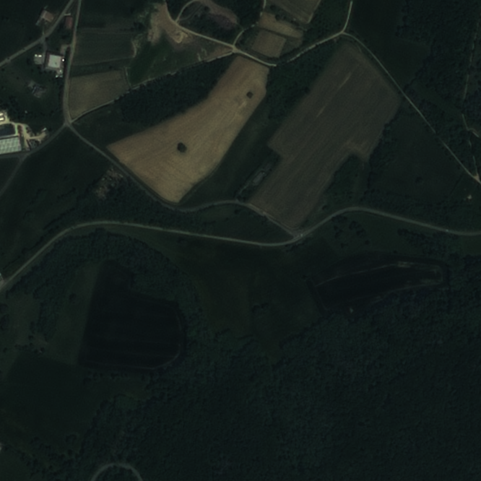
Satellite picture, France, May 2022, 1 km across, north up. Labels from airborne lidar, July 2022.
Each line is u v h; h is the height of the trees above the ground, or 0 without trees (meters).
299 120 0
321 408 18
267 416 26
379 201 11
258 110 0
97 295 0
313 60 18
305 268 0
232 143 0
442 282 0
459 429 20
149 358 0
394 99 0
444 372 15
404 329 21
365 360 21
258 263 0
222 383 25
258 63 0
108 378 0
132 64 0
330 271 0
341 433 21
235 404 20
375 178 12
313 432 20
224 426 19
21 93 0
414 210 16
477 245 0
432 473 18
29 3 0
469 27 12
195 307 22
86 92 0
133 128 0
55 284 15
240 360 21
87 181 0
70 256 17
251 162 0
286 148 0
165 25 0
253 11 15
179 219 18
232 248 0
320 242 0
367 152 0
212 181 0
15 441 0
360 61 0
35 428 0
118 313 0
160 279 19
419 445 18
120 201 15
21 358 0
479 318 30
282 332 0
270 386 18
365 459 21
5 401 0
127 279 0
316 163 0
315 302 0
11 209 0
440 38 17
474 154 14
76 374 0
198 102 17
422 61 0
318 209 0
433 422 18
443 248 22
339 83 0
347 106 0
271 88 14
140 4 0
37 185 0
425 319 20
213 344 18
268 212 0
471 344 20
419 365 18
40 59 0
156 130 0
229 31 8
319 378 17
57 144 0
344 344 26
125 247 8
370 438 22
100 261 9
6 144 0
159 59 0
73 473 17
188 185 0
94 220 19
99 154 7
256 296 0
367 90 0
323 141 0
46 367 0
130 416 19
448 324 23
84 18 0
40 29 0
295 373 19
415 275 0
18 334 0
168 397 10
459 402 18
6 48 0
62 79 11
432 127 7
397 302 20
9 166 0
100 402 0
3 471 0
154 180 0
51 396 0
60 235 0
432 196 0
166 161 0
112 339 0
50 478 14
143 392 0
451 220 14
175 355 0
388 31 0
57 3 0
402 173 0
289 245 9
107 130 0
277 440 23
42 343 0
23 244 0
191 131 0
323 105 0
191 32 0
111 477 15
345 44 0
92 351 0
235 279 0
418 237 17
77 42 0
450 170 0
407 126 0
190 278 12
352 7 0
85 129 0
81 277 0
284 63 12
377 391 18
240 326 0
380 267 0
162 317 0
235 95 0
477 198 0
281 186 0
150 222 15
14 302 0
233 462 17
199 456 18
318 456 27
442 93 8
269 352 0
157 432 19
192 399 14
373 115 0
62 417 0
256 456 18
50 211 0
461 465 17
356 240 0
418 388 18
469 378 21
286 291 0
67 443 11
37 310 0
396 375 12
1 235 0
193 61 0
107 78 0
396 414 17
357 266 0
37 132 0
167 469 16
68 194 6
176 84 17
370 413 19
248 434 14
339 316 19
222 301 0
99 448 19
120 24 0
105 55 0
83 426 0
